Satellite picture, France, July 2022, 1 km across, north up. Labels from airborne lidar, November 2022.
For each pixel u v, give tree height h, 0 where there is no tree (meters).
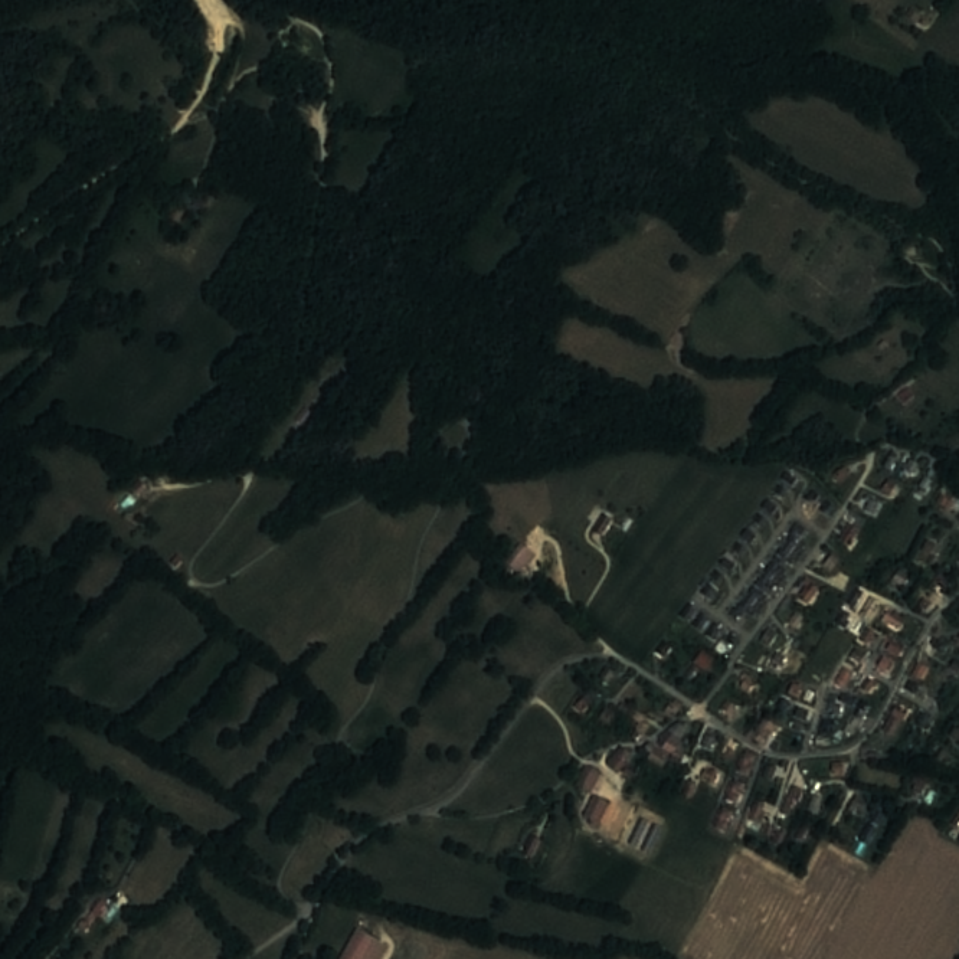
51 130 14
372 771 19
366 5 17
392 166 19
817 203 13
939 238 10
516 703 13
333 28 10
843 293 0
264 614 0
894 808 13
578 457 17
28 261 18
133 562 14
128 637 0
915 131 22
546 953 17
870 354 0
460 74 14
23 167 11
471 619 15
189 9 16
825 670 0
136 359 0
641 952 15
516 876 18
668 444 17
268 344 20
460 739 0
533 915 0
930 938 0
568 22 20
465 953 0
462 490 17
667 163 18
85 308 22
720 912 0
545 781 0
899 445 16
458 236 11
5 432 19
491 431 17
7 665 20
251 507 0
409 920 15
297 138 12
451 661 13
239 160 21
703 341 0
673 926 0
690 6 13
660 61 16
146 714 14
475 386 23
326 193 17
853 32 0
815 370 15
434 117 17
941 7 10
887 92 23
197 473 22
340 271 22
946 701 11
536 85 18
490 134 20
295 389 23
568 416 23
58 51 13
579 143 19
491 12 19
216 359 0
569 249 18
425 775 0
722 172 13
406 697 0
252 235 18
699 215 15
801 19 18
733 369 19
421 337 21
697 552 0
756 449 12
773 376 14
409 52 14
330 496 15
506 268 16
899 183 0
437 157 20
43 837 0
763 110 10
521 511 0
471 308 21
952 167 22
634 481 0
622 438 15
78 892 16
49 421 19
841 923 0
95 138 13
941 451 14
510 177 12
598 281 0
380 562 0
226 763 0
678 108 14
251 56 0
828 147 0
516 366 20
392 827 9
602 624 0
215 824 0
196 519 0
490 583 16
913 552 10
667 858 0
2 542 25
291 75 16
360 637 0
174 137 6
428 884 0
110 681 0
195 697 0
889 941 0
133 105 0
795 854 14
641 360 0
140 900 0
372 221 14
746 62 17
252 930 0
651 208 19
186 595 16
